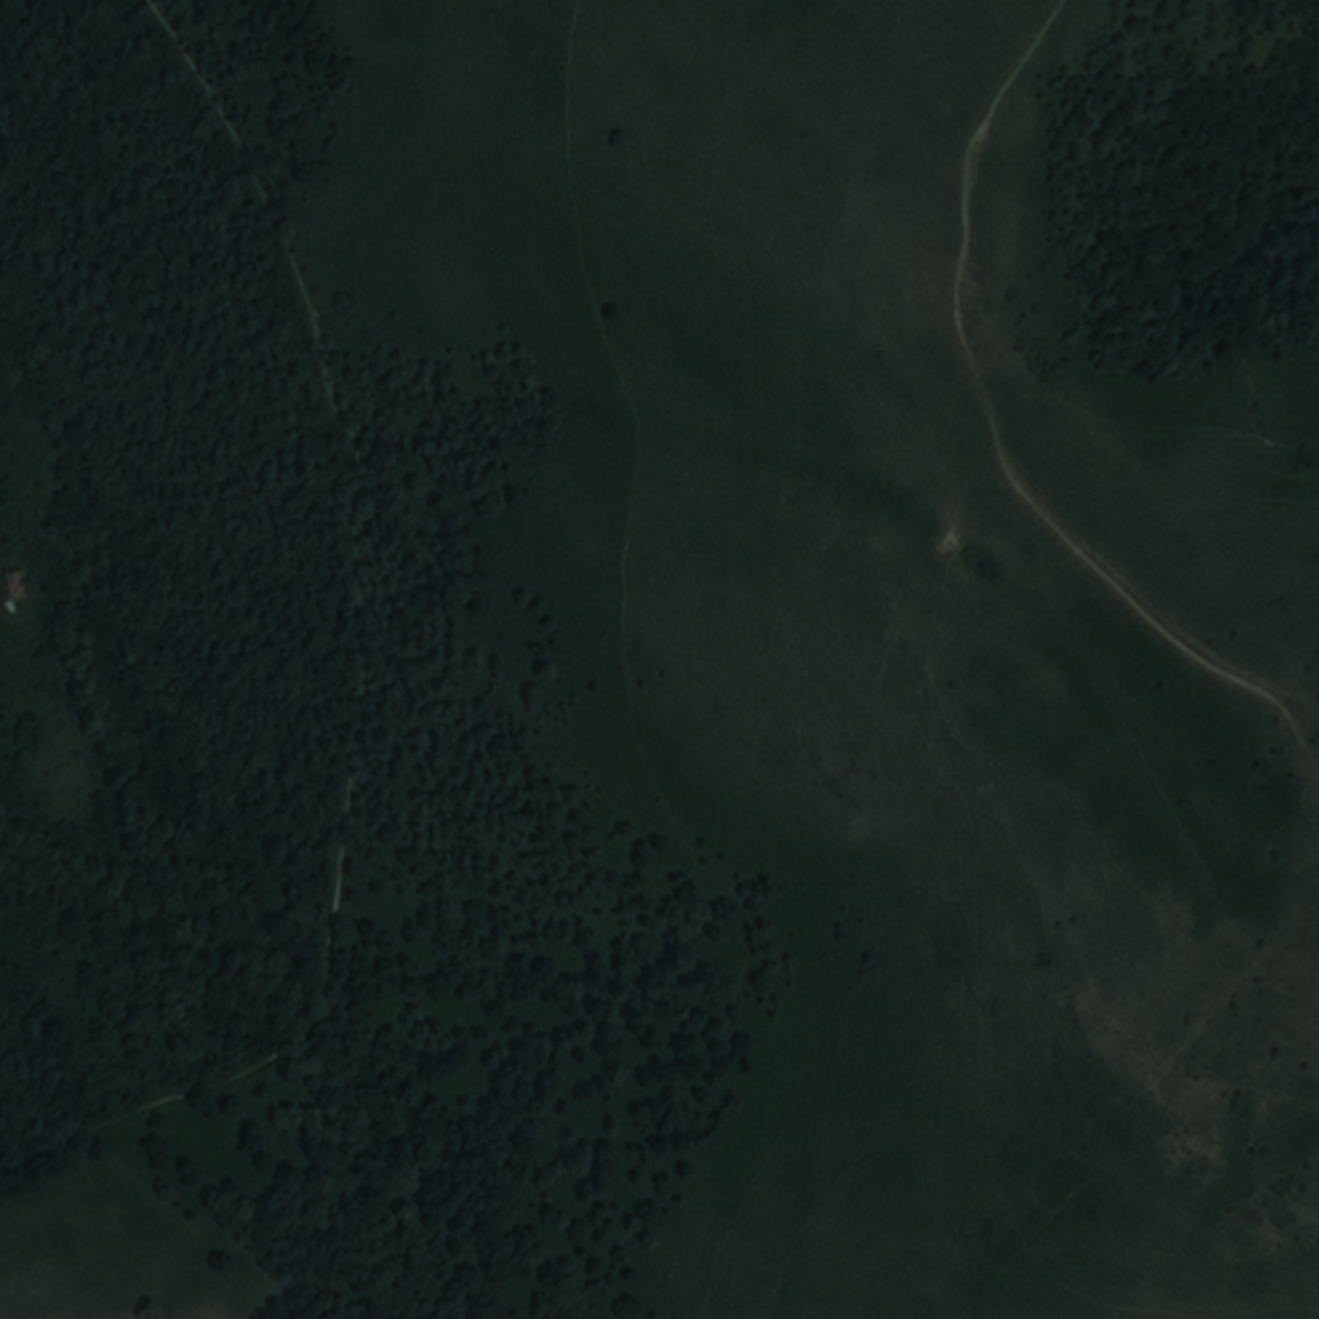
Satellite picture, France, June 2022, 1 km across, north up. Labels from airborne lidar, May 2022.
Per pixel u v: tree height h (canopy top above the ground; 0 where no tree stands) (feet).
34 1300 0
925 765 0
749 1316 0
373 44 0
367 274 0
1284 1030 0
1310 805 0
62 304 44
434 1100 46
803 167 0
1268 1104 0
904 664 0
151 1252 0
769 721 0
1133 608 0
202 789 63
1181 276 93
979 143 0
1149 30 33
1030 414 0
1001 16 0
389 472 40
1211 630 0
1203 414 0
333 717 45
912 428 0
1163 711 0
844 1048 0
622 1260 46
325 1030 50
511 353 39
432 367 40
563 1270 31
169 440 33
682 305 0
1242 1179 0
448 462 53
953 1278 0
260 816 42
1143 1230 0
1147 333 68
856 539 0
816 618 0
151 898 40
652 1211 47
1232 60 40
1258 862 0
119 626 25
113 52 24
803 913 0
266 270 23
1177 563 0
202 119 29
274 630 31
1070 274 19
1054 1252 0
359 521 37
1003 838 0
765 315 0
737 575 0
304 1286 57
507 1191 50
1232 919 0
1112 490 0
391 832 48
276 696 41
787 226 0
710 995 61
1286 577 0
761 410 0
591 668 0
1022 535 0
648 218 0
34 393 23
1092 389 0
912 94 0
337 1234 51
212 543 24
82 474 19
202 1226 0
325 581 28
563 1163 25
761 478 0
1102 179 51
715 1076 43
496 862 43
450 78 0
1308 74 31
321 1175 46
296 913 40
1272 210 18
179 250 49
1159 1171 0
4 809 35
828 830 0
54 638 57
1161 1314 0
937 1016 0
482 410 46
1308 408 0
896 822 0
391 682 24
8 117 28
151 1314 49
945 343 0
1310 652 0
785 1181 0
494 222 0
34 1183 60
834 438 0
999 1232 0
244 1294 0
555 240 0
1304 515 0
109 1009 52
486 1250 50
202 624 36
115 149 31
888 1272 0
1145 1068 0
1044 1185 0
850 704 0
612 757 0
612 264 0
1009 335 0
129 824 73
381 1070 30
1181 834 0
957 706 0
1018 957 0
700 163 0
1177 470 0
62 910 31
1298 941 0
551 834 48
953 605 0
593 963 50
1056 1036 0
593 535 0
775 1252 0
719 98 0
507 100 0
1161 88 46
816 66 0
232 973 47
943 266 0
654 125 0
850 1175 0
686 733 0
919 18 0
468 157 0
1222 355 36
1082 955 0
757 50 0
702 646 0
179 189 54
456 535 49
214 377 35
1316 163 69
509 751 32
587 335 0
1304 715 0
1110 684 0
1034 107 0
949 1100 0
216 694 43
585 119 0
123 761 80
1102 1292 0
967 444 0
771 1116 0
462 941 60
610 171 0
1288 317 38
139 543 27
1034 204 0
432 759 49
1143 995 0
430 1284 32
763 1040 0
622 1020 30
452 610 44
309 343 35
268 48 43
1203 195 53
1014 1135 0
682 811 0
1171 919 0
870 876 0
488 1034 50
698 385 0
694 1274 0
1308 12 30
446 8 0
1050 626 0
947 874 0
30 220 19
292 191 36
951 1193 0
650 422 0
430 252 0
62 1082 53
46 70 53
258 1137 43
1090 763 0
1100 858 0
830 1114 0
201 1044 53
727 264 0
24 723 19
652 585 0
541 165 0
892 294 0
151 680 61
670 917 58
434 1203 72
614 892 49
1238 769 0
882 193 0
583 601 0
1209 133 30
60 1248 0
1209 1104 0
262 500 30
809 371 0
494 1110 61
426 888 36
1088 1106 0
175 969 57
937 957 0
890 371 0
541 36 0
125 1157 0
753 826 0
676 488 0
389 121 0
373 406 38
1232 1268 0
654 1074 40
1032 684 0
